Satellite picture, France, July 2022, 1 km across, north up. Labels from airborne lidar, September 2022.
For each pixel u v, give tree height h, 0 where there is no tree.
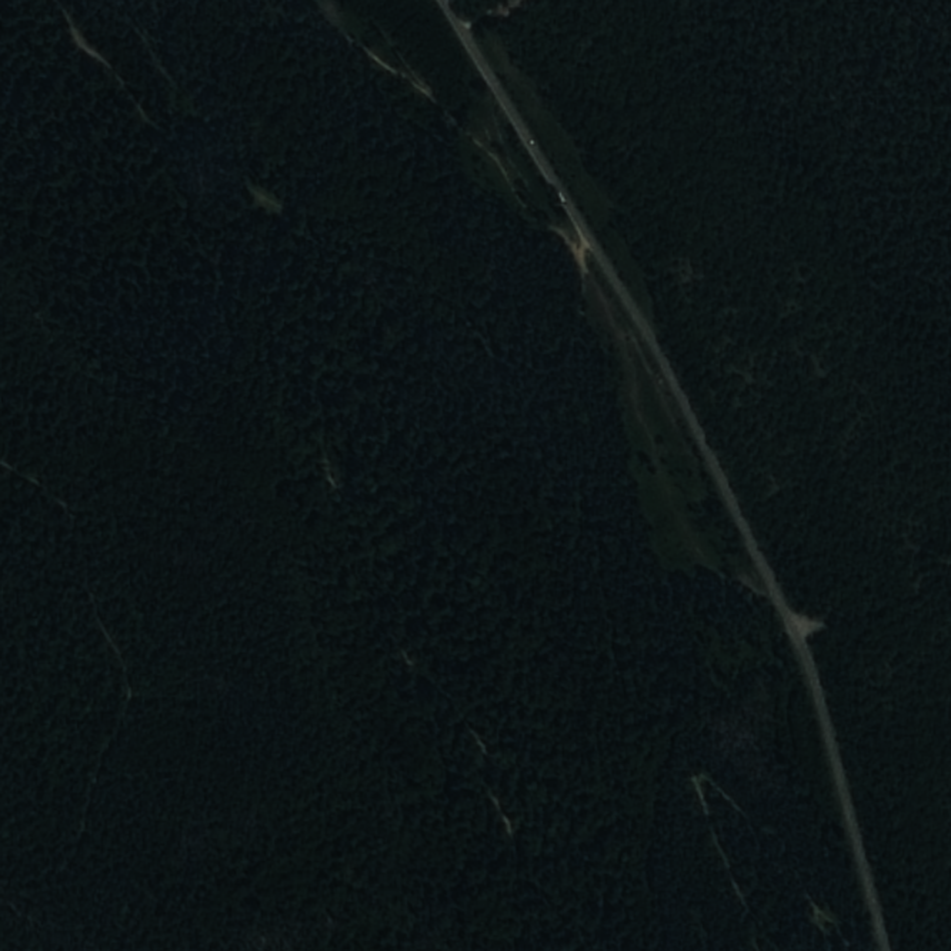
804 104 16
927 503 8
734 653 7
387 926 22
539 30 11
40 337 13
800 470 10
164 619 16
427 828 29
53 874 14
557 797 22
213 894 13
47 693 10
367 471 27
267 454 31
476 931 32
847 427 10
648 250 15
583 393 30
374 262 31
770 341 11
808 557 12
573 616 16
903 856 9
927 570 12
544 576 19
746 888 23
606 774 26
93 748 13
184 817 10
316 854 13
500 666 36
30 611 17
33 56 23
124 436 17
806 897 26
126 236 15
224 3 27
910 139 11
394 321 34
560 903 27
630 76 10
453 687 32
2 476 12
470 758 34
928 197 15
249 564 16
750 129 11
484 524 21
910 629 10
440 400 22
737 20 16
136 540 18
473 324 31
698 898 21
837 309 11
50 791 18
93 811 16
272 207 0
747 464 11
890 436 9
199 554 16
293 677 15
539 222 23
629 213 16
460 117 27
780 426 8
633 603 29
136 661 14
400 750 35
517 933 7
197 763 15
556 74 8
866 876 0
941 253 12
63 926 17
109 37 18
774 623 7
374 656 36
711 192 11
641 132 10
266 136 29
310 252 29
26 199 34
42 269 31
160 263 15
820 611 16
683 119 15
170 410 38
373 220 24
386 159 38
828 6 11
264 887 14
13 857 16
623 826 23
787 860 27
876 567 10
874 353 11
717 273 8
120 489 19
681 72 15
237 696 21
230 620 17
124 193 30
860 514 13
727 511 8
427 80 11
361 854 12
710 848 20
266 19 28
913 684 7
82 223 10
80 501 25
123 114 21
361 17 7
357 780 13
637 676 29
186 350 37
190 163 38
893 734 11
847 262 13
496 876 36
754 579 0
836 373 10
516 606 28
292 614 16
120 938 8
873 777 6
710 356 8
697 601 22
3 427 12
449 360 34
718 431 15
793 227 11
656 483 0
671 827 20
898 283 10
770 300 11
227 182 39
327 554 25
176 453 14
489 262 34
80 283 20
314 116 26
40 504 22
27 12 21
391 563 11
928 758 11
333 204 27
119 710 11
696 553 0
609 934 27
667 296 13
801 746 13
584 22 13
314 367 32
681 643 30
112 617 12
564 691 30
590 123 13
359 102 11
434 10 9
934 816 11
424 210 30
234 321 32
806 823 24
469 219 35
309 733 19
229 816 14
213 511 18
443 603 30
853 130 10
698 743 21
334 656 30
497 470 24
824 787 14
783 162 17
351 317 29
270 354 21
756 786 19
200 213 9
